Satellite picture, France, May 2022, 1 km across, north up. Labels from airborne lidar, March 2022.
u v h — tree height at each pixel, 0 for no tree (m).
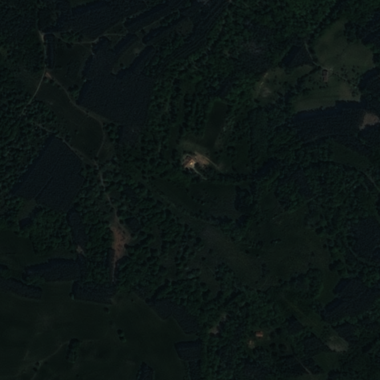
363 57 0
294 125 26
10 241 0
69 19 30
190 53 16
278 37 25
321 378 0
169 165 24
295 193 24
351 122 32
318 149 22
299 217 0
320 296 0
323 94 0
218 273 15
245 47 25
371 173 7
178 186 8
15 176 11
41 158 20
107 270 25
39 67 8
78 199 8
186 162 0
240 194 20
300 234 0
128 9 24
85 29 26
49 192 26
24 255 0
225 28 19
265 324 19
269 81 15
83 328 0
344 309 30
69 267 29
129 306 0
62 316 0
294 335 25
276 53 24
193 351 28
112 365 0
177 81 22
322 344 20
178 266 15
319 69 9
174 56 21
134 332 0
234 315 18
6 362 0
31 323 0
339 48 0
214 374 20
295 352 16
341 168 18
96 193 12
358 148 31
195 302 26
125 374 0
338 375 19
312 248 0
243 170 0
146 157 17
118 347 0
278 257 0
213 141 0
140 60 21
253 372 28
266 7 23
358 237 30
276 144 24
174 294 18
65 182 27
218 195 0
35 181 28
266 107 0
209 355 22
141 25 19
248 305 21
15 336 0
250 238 0
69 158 24
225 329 24
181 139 13
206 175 7
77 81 0
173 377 0
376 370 6
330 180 15
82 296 26
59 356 0
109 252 27
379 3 27
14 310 0
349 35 22
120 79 25
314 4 23
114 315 0
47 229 21
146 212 16
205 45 17
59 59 0
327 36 0
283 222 0
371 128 21
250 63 29
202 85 10
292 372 15
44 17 15
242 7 26
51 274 27
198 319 26
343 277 17
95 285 29
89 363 0
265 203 0
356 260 30
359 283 28
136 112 28
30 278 24
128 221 23
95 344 0
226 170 0
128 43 23
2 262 0
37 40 10
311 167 27
